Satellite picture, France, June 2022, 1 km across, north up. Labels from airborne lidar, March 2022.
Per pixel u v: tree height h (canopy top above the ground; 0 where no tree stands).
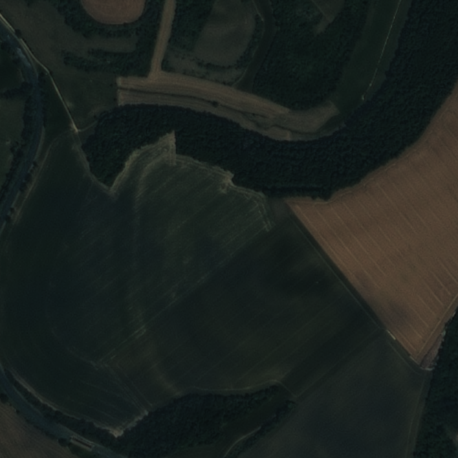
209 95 0
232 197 0
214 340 0
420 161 0
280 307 0
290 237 0
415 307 0
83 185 0
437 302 0
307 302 0
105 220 0
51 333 0
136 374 0
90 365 0
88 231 0
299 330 0
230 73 0
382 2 0
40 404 18
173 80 0
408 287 0
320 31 0
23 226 0
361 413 0
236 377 0
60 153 0
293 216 0
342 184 17
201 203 0
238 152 22
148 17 11
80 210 0
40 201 0
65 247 0
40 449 0
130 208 0
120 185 0
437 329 0
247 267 0
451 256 0
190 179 0
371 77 0
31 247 0
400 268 0
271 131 0
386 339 0
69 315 0
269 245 0
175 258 0
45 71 0
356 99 0
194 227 0
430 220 0
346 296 0
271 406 0
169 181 0
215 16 0
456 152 0
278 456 0
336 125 0
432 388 7
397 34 0
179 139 10
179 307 0
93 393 0
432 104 8
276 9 12
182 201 0
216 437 17
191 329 0
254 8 0
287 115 0
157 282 0
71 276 0
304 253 0
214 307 0
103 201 0
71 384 0
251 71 0
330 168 21
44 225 0
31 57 0
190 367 0
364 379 0
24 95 19
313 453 0
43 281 0
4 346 0
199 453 0
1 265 0
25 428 0
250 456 0
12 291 0
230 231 0
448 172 0
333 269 0
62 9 17
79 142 0
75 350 0
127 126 17
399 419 0
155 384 0
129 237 0
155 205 0
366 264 0
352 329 0
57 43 0
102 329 0
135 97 0
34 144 0
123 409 0
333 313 0
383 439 0
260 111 0
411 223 0
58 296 0
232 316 0
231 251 0
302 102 11
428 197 0
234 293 0
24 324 0
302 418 0
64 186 0
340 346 0
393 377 0
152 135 14
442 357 15
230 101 0
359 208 0
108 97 0
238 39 0
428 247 0
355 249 0
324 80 6
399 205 0
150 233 0
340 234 0
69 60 13
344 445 0
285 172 23
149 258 0
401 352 0
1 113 0
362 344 0
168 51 0
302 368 0
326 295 0
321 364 0
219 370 0
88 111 0
